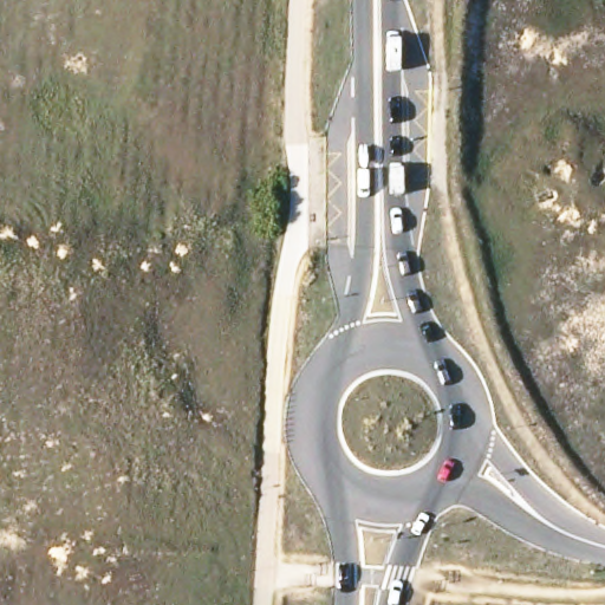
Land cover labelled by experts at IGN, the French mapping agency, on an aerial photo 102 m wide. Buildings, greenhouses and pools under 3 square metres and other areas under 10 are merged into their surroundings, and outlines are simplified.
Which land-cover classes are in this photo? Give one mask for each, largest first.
<instances>
[{"label":"herbaceous vegetation","instance_id":"1","mask_svg":"<svg viewBox=\"0 0 605 605\"><path fill-rule=\"evenodd\" d=\"M59 2L64 0H0V532H9L24 539V548H14L0 562V605H253L260 501L253 494L251 475L255 406L243 399L241 380L258 378L260 373L267 378V371L260 366L258 359V324L262 305L260 279L265 269L267 239L277 234L274 173L281 165L267 156L269 139L265 135V90L267 64L286 57L291 0H158V9L149 12L144 24L147 33L154 35V43L147 47L142 57L137 83L132 85L121 83V76L116 71H95L92 66H87L83 73H76L64 66L66 57L59 47H54V40ZM468 0H444L442 19L447 71L449 90L461 99L463 17ZM588 26H598L605 33V0H489L487 47L482 69L484 132L480 142L477 173L470 177L461 173L458 123L444 125L447 194L475 312L489 343L492 357L499 366V373L525 423L532 428H539L544 423V418L536 414L529 399L522 378L518 376L510 362V354L501 343L489 303L484 267L480 260L477 236L473 232L463 203V194H475V201L484 215L487 232L492 236L494 265L499 272V288L510 328H515L525 319L527 312H532L534 303H529V295L534 293V284L541 277L544 267L565 269L577 262L579 255L588 253H598L605 258V227H598L596 234H588L579 227L574 239H565V222L558 220L555 213L544 210L534 203V175L541 173V165L555 170L560 161H565L577 180H591L596 168L605 161V64L584 66L581 57H577L574 52L567 57V64H553L544 57L527 59L522 52V33L532 28L548 38H565L586 31ZM284 553L328 558L331 544L321 513L317 510L298 475L284 480ZM428 534L430 548L425 555L432 562L492 567L496 572L562 581L565 586L570 581H579L605 588V562L574 565L565 558H551L546 551H532L522 546L518 539L499 529H492L475 515L461 510L447 515V525L435 522V529H430Z\"/></svg>","mask_w":605,"mask_h":605},{"label":"impervious surface","instance_id":"2","mask_svg":"<svg viewBox=\"0 0 605 605\"><path fill-rule=\"evenodd\" d=\"M350 69L340 78L333 97L328 137L314 135L307 142L310 163L293 175L298 182V215L310 222L307 255L314 248L328 251V286L338 293V314L333 319V328L324 333V338L314 345L312 354L303 359L300 373L291 371L288 376L284 414V480L298 475L317 510L321 513L331 544L328 558L340 570V584L326 586L331 591V605H409L414 593L409 581L411 567L416 565L418 548L428 534L430 529H435V522L447 525V515L461 510L475 515L492 529H499L518 539L522 546L532 551H546L551 558H565L574 565L605 562V513L572 487L570 477L553 463V458L536 442L532 428L525 423L499 373V366L492 357L489 343L475 312L447 194L444 125L449 90L447 71L437 73L432 69L435 64L430 61V35L425 33L428 0H350ZM428 203L440 206L442 213L444 248L466 312V331L480 350L496 385V392L503 402V409L510 423L515 425L518 435L525 440V444L536 456L541 468L560 484L567 499H560L503 435V430L496 423L489 388L473 357L458 345L456 338L444 336L442 328L430 321L428 310L432 307V298L421 291L425 286L421 274L425 262L418 258L425 236ZM378 376H397L416 383L428 395L435 409V442L430 444L428 454H423L416 463L404 468H373L364 463L345 440L343 411L350 395L364 380Z\"/></svg>","mask_w":605,"mask_h":605},{"label":"pervious surface","instance_id":"3","mask_svg":"<svg viewBox=\"0 0 605 605\"><path fill-rule=\"evenodd\" d=\"M350 0H291L286 57L284 151L288 165H281L274 173L277 234L284 236V246L279 253L272 293L267 371V378L262 447L265 461L260 501L253 605H331V591L326 586L340 584V570L328 558L284 553V414L288 376L291 371L300 373L303 359L312 354L314 345L324 338V333L333 328V319L338 314V293L328 286V251L314 248L307 255L310 222L298 215V182L293 175L310 163L307 142L314 135L328 137L333 97L340 78L350 69ZM444 0H428L425 33L430 35V61L435 64L432 69L437 73L447 71L442 19ZM461 99L449 90L444 125L458 123ZM418 258L425 262L421 274L425 286L421 291L432 298V307L428 310L430 321L442 328L444 336L456 338L458 345L473 357L489 388L496 423L503 430V435L560 499H567L560 484L541 468L536 456L525 444V440L518 435L515 425L510 423L503 409V402L496 392V385L480 350L466 331V312L444 248L442 213L440 206L428 203L425 236ZM345 440L364 463L373 468H404L416 463L423 454H428L430 444L435 442V409L428 395L416 383L397 376H378L364 380L350 395L343 411ZM536 442L553 458V463L570 477L572 487L605 513V496L596 492L574 470L570 458L562 454L560 444L555 442L553 432L544 423L539 428H532ZM430 548L428 534L418 548L416 565L411 567L409 581L414 593L409 605H605V588L579 581H570L565 586L562 581L496 572L492 567L432 562L425 555Z\"/></svg>","mask_w":605,"mask_h":605},{"label":"bare soil","instance_id":"4","mask_svg":"<svg viewBox=\"0 0 605 605\"><path fill-rule=\"evenodd\" d=\"M158 9V0H64L59 2L54 40V47H59L66 57L64 66L76 73H83L87 66H92L95 71H116L121 76V83L132 85L137 83L142 57L147 47L154 43V35L147 33L144 24L149 12ZM489 0H468L463 17L461 99L458 123L461 173L470 177L477 173L480 142L484 132L482 69L487 47ZM522 52L527 59L544 57L553 64H567V57L574 52L577 57H581L584 66L605 64V33L598 26H588L586 31L565 38H548L532 28L522 33ZM286 57L267 64L265 90V135L269 139L267 156L281 165H288L284 151ZM534 203L544 210L555 213L558 220L565 222V239H574L579 227L588 234H596L598 227H605V161L596 168L591 180H577L565 161H560L555 170L541 165V173L534 175ZM463 203L473 232L477 236L480 260L484 267L489 303L501 343L510 354V362L518 376L522 378L529 399L536 414L544 418V423L553 432L555 442L560 444L562 454L570 458L574 470L596 492L605 496V258L598 253H588L579 255L577 262L565 269L544 267L541 277L534 284V293L529 295V303H534L532 312H527L525 319L515 328H510L499 288V272L494 265L492 236L487 232L484 215L475 201V194H463ZM284 246V236L277 234L267 239L265 269L260 279L262 305L258 324V359L260 366L267 371L272 293L279 253ZM243 399L255 406L251 475L253 494L260 501L265 461L262 447L267 378L260 373L258 378L241 380ZM14 548H24V539L9 532H0V562Z\"/></svg>","mask_w":605,"mask_h":605}]
</instances>
